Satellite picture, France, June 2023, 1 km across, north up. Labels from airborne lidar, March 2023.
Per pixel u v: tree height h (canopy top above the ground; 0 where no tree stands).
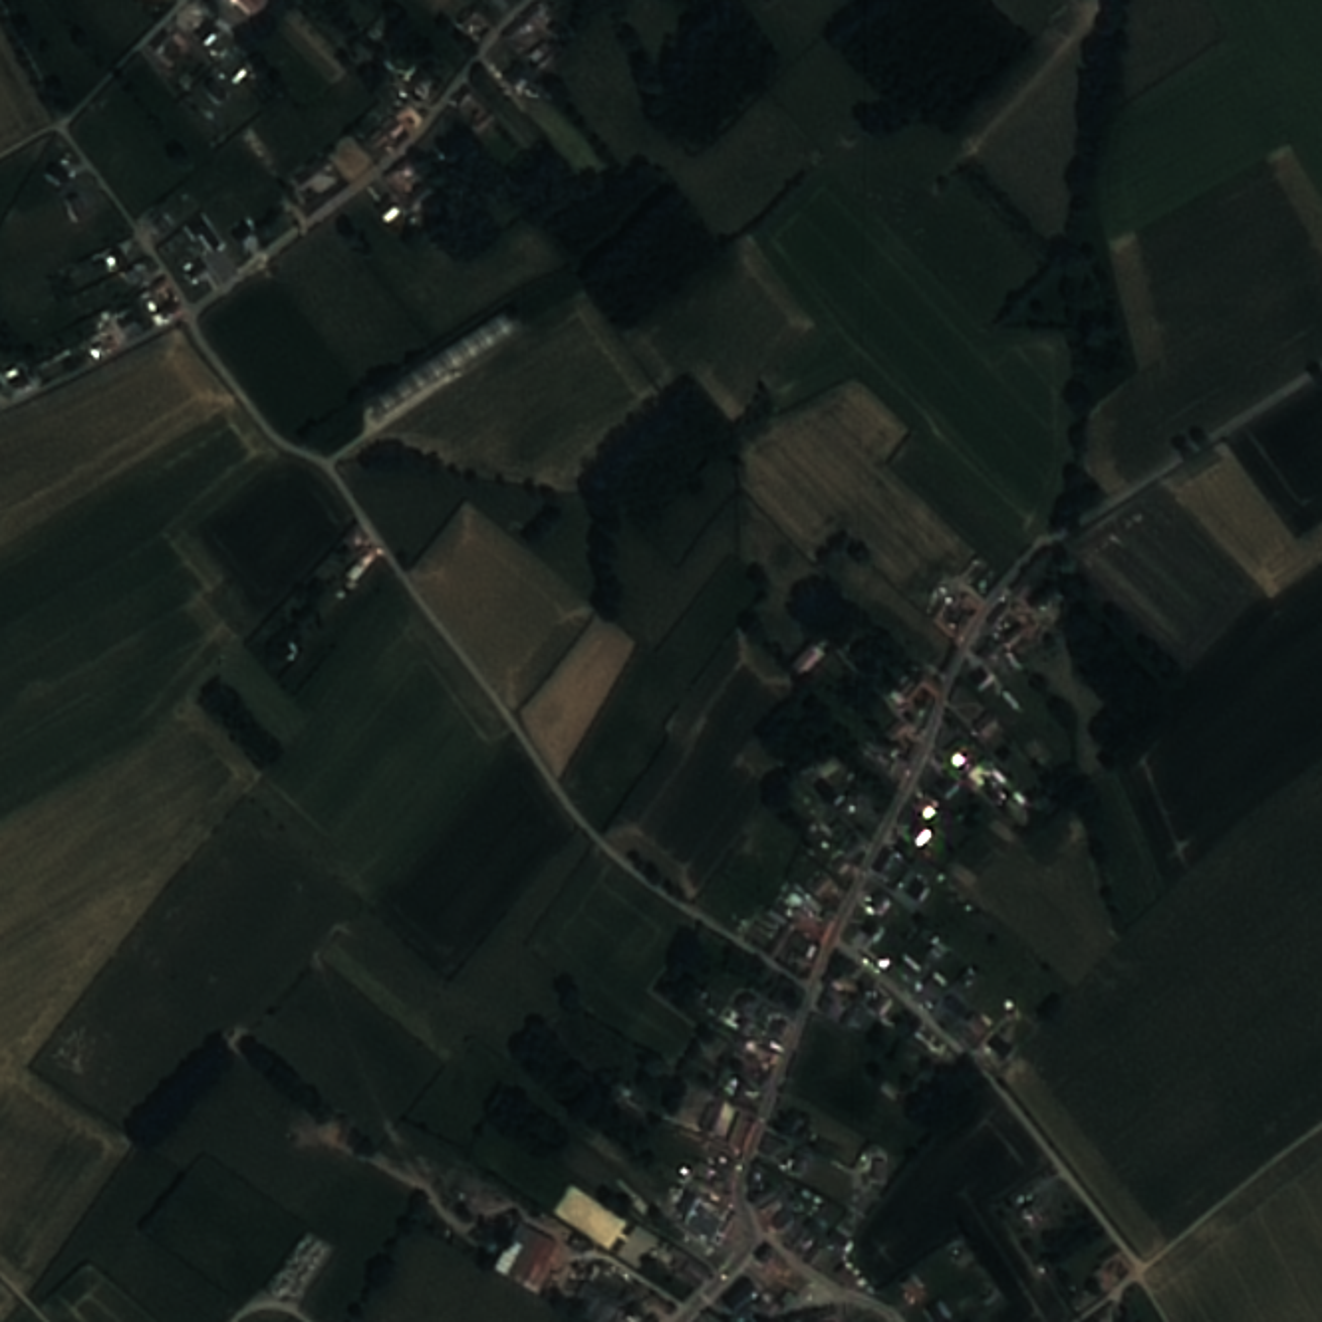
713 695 0
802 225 0
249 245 0
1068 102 0
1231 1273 0
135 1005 0
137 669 0
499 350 0
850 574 0
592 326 0
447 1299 0
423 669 0
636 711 0
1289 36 0
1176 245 0
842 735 6
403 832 0
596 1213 0
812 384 0
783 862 0
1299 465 0
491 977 0
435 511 0
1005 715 0
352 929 0
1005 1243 0
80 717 0
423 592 0
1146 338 0
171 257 0
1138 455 0
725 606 0
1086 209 8
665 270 15
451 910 0
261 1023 0
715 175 0
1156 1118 0
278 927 0
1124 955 0
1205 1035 0
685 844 0
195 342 0
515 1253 0
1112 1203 0
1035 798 11
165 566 0
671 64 17
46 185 0
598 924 0
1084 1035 0
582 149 0
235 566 0
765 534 0
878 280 0
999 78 16
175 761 0
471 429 0
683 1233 0
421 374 0
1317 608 0
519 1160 0
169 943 0
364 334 0
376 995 0
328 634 0
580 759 0
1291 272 0
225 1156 0
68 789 0
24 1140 0
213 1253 0
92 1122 0
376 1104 0
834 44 13
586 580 0
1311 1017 0
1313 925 0
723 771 0
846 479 0
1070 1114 0
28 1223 0
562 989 18
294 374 0
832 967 6
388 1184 0
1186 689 0
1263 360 0
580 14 8
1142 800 0
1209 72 0
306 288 0
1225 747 0
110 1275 0
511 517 0
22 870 0
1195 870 0
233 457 0
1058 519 11
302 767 0
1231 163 0
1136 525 0
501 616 0
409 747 0
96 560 0
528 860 0
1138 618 0
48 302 0
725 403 0
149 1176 0
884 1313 0
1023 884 0
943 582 0
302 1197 0
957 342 0
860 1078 0
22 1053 0
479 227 22
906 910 0
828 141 0
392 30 13
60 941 0
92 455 0
